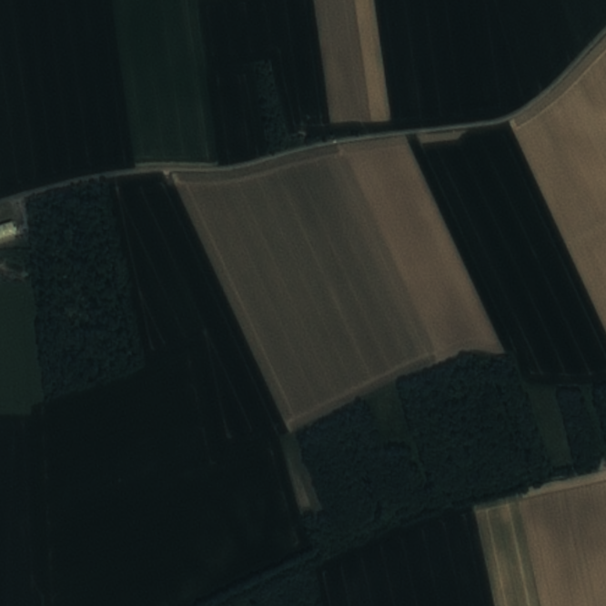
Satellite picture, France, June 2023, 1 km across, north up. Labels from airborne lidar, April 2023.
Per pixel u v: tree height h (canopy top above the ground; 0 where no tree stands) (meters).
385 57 0
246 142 0
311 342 0
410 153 0
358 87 0
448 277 0
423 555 0
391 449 19
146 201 0
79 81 0
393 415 0
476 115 0
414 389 21
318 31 0
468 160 0
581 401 19
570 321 0
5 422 0
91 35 0
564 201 0
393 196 0
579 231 0
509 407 25
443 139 0
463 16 0
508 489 14
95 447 0
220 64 0
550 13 0
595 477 0
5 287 0
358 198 0
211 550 0
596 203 0
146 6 0
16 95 0
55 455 0
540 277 0
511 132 0
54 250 7
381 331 0
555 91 0
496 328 0
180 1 0
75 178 0
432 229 0
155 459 0
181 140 0
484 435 20
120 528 0
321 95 0
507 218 0
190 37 0
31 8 0
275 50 0
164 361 0
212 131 0
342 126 0
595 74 0
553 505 0
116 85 0
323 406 0
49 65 0
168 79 0
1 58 0
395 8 0
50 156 0
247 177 0
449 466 24
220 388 0
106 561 0
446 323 0
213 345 0
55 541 0
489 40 0
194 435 0
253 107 0
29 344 0
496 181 0
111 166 0
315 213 0
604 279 0
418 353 0
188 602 0
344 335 0
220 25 0
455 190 0
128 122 0
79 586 0
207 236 0
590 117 0
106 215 20
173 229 0
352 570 0
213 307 0
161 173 0
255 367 0
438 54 0
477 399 25
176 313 0
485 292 0
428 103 0
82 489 0
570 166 0
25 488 0
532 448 20
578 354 0
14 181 0
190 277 0
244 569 0
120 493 0
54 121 0
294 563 14
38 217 6
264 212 0
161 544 0
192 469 0
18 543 0
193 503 0
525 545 0
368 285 0
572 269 0
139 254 0
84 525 0
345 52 0
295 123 0
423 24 0
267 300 0
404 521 11
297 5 0
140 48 0
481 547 0
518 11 0
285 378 0
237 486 0
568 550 0
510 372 21
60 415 0
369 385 0
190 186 0
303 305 0
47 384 14
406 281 0
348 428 17
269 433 0
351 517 20
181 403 0
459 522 0
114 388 0
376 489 23
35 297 8
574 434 17
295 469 0
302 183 0
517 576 0
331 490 21
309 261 0
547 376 0
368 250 0
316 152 0
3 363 0
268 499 0
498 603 0
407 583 0
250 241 0
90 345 26
